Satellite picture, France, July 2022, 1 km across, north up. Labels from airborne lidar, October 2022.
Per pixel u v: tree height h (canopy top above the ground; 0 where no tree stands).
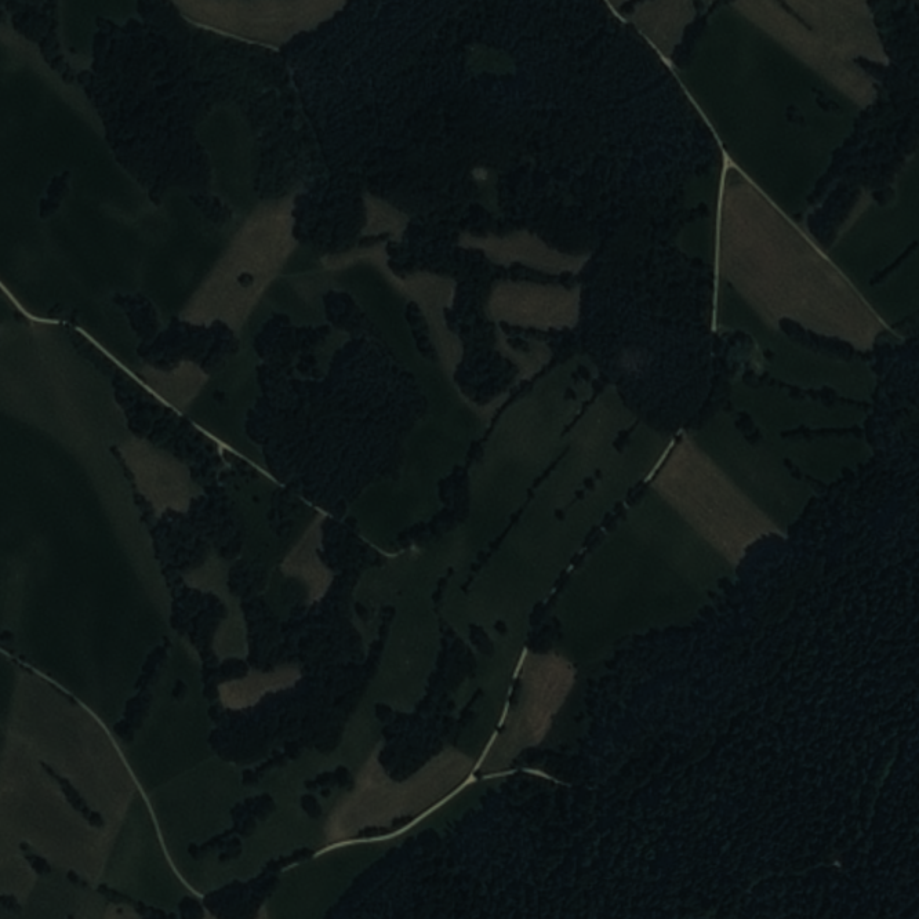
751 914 20
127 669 0
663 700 29
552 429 0
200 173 20
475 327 10
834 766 28
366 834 8
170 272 0
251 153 0
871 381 0
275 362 14
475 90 23
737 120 0
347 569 19
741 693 35
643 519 0
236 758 20
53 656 0
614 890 26
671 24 0
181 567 18
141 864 0
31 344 0
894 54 19
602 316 25
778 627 31
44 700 0
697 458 0
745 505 0
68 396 0
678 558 0
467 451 0
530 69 26
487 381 8
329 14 0
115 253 0
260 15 0
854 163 26
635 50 21
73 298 0
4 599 0
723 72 0
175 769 0
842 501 9
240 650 0
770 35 0
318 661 15
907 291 0
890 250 0
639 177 28
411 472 0
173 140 24
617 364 26
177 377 0
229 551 13
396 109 19
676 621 0
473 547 0
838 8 0
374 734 0
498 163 15
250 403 0
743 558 0
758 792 25
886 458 26
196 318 0
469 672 20
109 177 0
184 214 0
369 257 0
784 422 0
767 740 25
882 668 23
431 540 12
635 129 27
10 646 8
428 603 0
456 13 10
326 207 19
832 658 23
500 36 22
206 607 20
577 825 27
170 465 0
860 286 0
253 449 0
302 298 0
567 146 17
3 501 0
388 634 8
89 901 0
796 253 0
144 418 20
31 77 0
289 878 0
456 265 6
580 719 7
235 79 8
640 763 13
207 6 0
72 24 0
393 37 23
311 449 19
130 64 19
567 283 13
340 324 19
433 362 11
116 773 0
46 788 0
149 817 0
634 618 0
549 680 0
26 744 0
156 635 0
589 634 0
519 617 0
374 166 14
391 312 0
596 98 24
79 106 0
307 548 0
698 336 21
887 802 24
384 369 20
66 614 0
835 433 9
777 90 0
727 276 0
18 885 0
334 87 20
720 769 31
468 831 18
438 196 19
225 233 0
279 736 22
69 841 0
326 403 17
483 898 23
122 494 0
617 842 30
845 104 0
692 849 24
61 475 0
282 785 0
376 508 0
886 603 19
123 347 0
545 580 0
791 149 0
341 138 15
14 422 0
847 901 23
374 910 25
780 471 0
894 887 18
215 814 0
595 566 0
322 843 0
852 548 24
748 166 0
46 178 0
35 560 0
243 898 25
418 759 18
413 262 13
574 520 0
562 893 28
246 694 0
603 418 0
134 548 0
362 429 20
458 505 18
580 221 20
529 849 23
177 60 19
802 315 0
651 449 0
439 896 25
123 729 16
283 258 0
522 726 0
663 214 9
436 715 19
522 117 21
